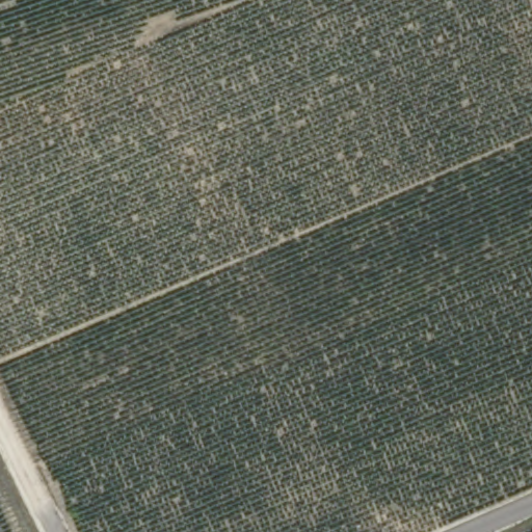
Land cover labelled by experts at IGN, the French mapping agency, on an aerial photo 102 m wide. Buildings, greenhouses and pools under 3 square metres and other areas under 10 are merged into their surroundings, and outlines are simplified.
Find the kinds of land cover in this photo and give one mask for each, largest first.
<instances>
[{"label":"vineyard","instance_id":"1","mask_svg":"<svg viewBox=\"0 0 532 532\"><path fill-rule=\"evenodd\" d=\"M0 393L10 414V420L15 422L17 432L25 443L27 453L33 457L35 472L54 505H64L67 513L75 522L73 532H432L434 524H438L441 520L445 524L455 522L459 517H466L474 511H480L484 507H490L499 501H505L513 495L532 488V0H0Z\"/></svg>","mask_w":532,"mask_h":532},{"label":"impervious surface","instance_id":"2","mask_svg":"<svg viewBox=\"0 0 532 532\"><path fill-rule=\"evenodd\" d=\"M432 532H532V488L513 495L505 501H499L490 507H484L480 511H474L466 517H459L455 522L445 524L441 520L438 524H434ZM37 532H73L75 522L67 513L64 505H54L48 511H35L31 515Z\"/></svg>","mask_w":532,"mask_h":532},{"label":"pervious surface","instance_id":"3","mask_svg":"<svg viewBox=\"0 0 532 532\"><path fill-rule=\"evenodd\" d=\"M0 455L31 515L35 511H48L54 505L35 472L33 457L27 453L25 443L17 432L15 422L10 420V414L0 393Z\"/></svg>","mask_w":532,"mask_h":532},{"label":"herbaceous vegetation","instance_id":"4","mask_svg":"<svg viewBox=\"0 0 532 532\"><path fill-rule=\"evenodd\" d=\"M0 532H37L31 515L0 455Z\"/></svg>","mask_w":532,"mask_h":532}]
</instances>
